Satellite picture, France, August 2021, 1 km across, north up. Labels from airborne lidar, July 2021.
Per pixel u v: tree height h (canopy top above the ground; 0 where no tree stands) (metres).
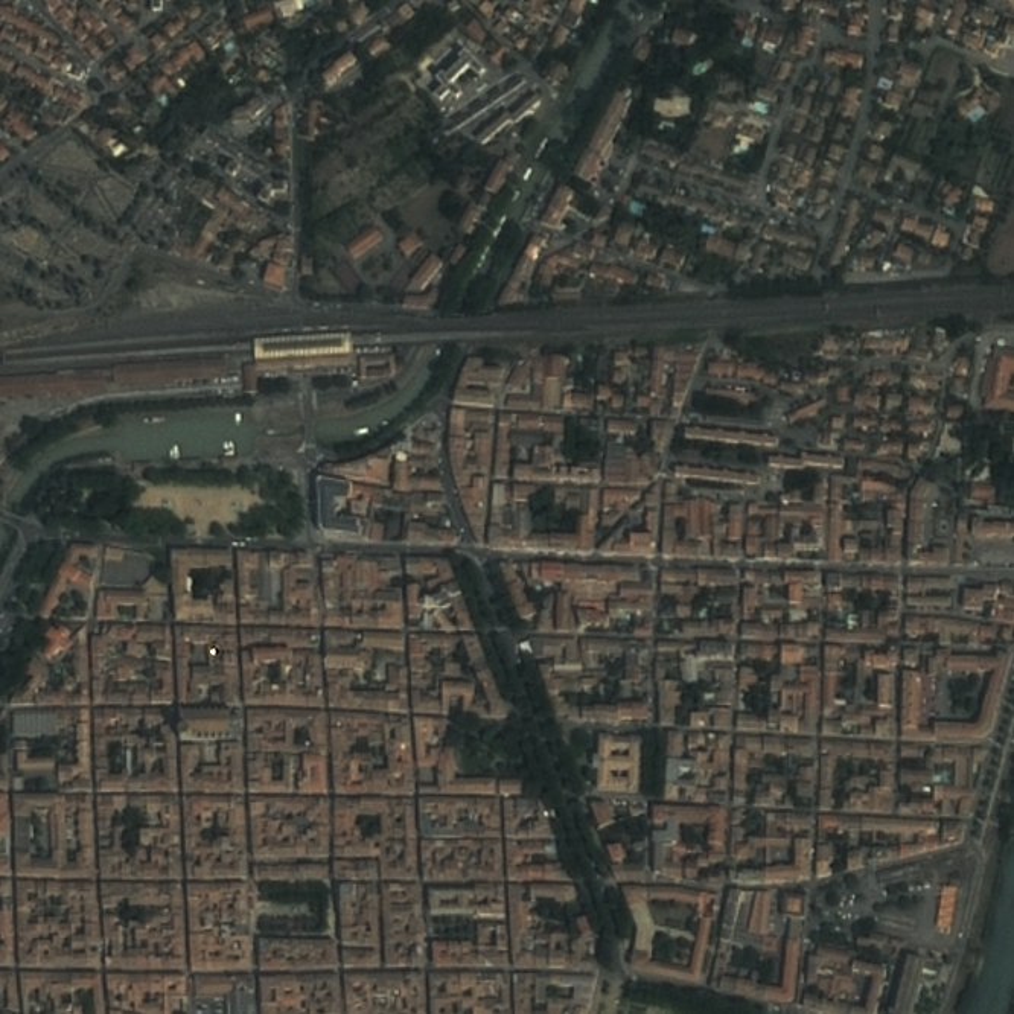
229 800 0
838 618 8
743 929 0
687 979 0
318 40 13
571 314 0
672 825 0
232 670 0
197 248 0
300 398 0
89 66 0
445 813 0
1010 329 0
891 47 7
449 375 19
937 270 0
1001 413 13
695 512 0
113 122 9
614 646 0
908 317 0
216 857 0
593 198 7
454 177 6
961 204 6
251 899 0
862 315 0
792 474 11
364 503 0
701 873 6
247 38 6
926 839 0
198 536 0
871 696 12
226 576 11
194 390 0
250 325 0
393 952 0
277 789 0
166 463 6
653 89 10
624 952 0
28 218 10
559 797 18
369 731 0
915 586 0
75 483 20
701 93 7
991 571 0
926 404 0
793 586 0
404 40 6
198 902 0
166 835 0
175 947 0
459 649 12
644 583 0
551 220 0
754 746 0
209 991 0
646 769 21
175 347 0
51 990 0
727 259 9
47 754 12
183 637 0
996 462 14
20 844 0
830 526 0
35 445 18
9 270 0
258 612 0
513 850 0
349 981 0
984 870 0
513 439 0
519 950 0
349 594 0
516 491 0
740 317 0
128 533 18
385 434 14
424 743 0
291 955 0
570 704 15
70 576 0
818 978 0
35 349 0
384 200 0
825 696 0
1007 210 6
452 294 23
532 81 0
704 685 11
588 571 0
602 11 8
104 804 0
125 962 0
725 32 8
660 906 9
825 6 0
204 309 0
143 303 0
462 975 0
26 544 0
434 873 0
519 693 17
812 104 6
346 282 0
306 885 13
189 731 0
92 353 0
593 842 15
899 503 0
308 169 9
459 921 12
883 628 0
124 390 0
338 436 0
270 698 0
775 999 0
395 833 0
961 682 11
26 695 0
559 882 0
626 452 0
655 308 0
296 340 0
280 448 0
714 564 0
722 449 11
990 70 9
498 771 8
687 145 9
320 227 7
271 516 23
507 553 0
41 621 15
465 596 18
